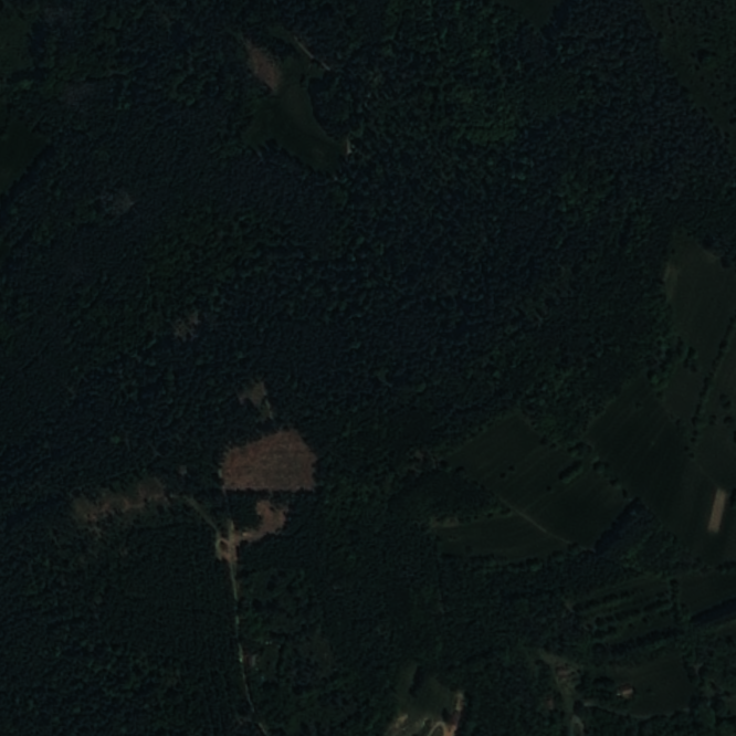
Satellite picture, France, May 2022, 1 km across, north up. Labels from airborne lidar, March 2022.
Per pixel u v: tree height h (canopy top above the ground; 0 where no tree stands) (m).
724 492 0
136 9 29
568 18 22
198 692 12
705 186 27
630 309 12
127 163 17
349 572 13
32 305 23
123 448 9
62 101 10
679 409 0
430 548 12
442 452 14
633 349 14
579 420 11
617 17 27
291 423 18
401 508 13
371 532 13
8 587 18
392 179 30
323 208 25
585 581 18
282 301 26
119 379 28
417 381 26
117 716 22
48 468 19
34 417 18
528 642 17
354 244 28
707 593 0
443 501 11
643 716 0
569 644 18
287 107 0
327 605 13
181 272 11
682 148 30
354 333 17
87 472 8
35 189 24
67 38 29
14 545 18
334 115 19
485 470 0
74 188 28
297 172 23
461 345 32
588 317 7
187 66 25
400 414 15
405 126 8
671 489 0
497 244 17
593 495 0
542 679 9
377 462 15
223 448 21
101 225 25
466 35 12
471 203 32
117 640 11
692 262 0
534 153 26
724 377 0
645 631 0
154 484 0
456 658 13
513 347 10
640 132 26
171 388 25
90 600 11
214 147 20
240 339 27
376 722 14
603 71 25
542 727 21
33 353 18
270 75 30
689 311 0
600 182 11
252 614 7
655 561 20
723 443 0
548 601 30
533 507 0
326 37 32
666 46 0
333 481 18
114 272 26
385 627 12
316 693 10
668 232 12
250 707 19
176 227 15
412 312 30
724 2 7
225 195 22
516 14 13
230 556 0
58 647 16
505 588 18
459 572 19
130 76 23
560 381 14
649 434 0
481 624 15
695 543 0
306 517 13
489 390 14
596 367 15
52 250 25
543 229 23
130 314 13
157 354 23
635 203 20
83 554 7
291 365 30
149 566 10
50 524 21
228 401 25
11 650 21
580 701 0
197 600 8
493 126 9
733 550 0
